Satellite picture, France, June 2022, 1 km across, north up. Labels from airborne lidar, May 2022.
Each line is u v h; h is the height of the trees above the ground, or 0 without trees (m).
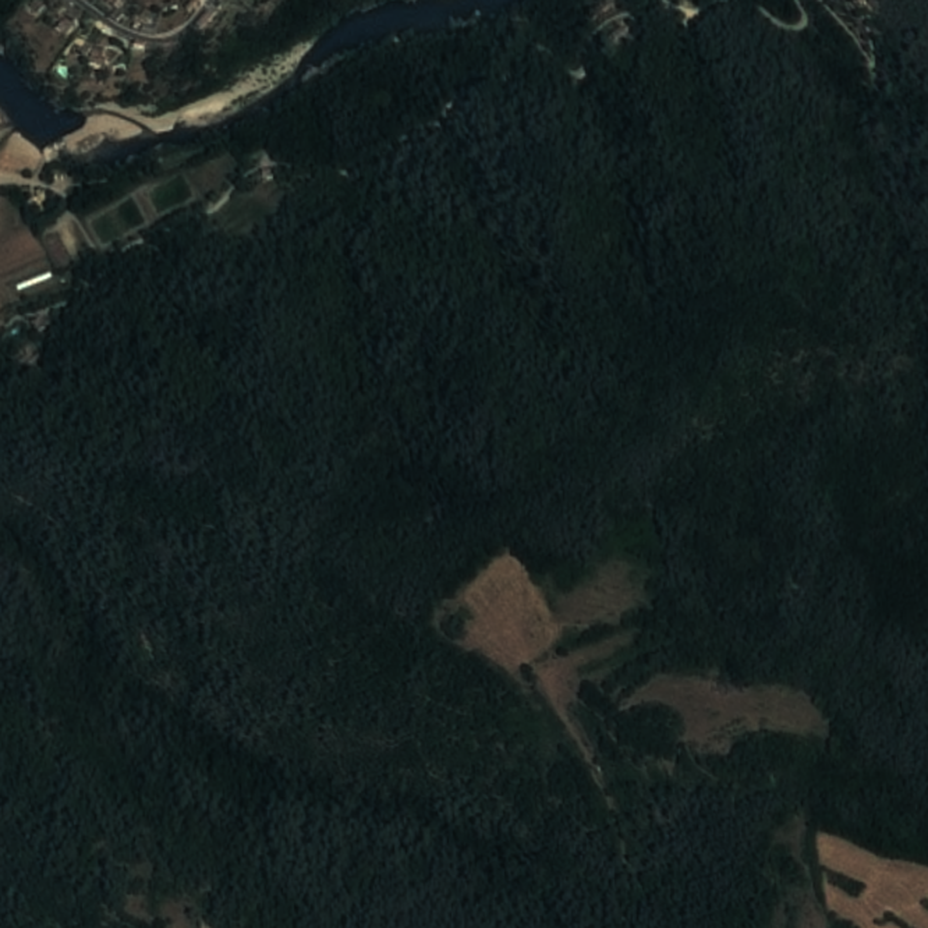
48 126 0
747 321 15
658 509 10
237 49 9
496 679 10
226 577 8
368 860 21
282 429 11
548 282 14
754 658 17
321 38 0
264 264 15
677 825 9
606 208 14
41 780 8
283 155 14
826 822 5
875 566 10
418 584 19
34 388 12
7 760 6
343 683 11
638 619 10
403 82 19
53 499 10
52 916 8
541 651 0
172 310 18
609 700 8
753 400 10
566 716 0
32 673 11
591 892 12
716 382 16
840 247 25
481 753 9
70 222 0
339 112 19
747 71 21
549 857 21
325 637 15
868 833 7
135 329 17
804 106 7
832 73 11
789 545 9
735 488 17
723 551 13
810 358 8
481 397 17
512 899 23
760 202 14
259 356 19
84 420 15
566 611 0
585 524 11
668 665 7
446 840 21
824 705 10
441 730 12
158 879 9
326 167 15
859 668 18
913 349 15
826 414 12
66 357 25
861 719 21
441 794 8
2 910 9
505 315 16
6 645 24
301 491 12
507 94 14
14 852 8
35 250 0
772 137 15
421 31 12
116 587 10
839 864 0
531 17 12
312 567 11
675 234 16
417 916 18
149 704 10
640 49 11
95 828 11
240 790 16
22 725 11
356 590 12
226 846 13
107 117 0
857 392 7
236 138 13
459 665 14
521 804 13
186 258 13
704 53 17
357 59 18
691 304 19
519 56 17
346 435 14
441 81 18
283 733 9
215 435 21
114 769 11
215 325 13
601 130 10
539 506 17
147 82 10
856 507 10
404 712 7
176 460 16
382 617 11
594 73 25
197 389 15
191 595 7
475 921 21
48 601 8
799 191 23
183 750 8
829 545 10
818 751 14
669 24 14
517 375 13
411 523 16
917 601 10
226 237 8
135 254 13
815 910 0
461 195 23
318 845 23
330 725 8
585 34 20
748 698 0
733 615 14
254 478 11
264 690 8
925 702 18
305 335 17
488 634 0
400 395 14
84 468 21
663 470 13
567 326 11
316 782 20
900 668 19
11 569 9
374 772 7
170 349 17
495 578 0
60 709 9
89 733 8
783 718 0
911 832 13
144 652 8
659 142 24
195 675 7
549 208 17
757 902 16
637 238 15
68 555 15
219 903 19
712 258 14
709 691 0
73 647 12
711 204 15
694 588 9
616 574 0
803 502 11
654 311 13
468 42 26
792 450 15
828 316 7
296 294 9
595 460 14
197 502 9
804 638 16
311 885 27
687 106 19
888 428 8
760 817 16
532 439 16
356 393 20
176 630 9
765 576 11
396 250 18
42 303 12
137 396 8
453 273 13
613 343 16
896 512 6
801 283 12
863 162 9
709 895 12
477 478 17
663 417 14
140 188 0
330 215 22
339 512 13
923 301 16
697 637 11
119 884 18
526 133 15
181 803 28
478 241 14
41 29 0
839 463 13
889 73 7
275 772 16
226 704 24
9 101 0
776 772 10
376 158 15
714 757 9
